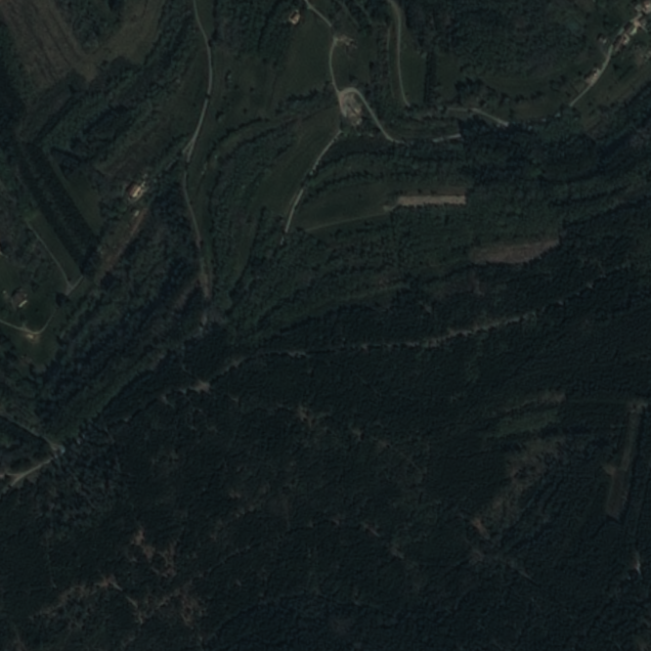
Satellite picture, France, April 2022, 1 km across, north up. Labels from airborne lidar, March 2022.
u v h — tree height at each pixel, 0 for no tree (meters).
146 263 11
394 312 12
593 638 23
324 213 0
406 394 10
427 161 8
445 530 13
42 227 0
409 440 18
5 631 21
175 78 10
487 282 11
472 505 9
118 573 10
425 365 10
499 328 8
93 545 9
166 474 13
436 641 17
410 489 12
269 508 11
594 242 22
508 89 0
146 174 9
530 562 26
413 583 12
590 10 0
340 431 13
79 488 32
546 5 13
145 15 0
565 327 18
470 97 10
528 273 15
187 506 16
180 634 11
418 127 15
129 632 10
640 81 0
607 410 12
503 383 12
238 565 11
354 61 0
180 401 14
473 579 21
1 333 29
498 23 20
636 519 21
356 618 15
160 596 8
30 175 9
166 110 0
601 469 28
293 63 0
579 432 9
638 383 8
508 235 9
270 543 12
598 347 24
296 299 13
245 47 17
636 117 11
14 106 6
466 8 20
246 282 9
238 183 15
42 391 18
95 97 10
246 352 15
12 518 7
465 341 16
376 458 7
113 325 9
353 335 14
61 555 10
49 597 10
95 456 34
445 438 12
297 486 13
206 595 10
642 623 24
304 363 15
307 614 16
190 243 26
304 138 0
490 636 16
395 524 8
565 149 22
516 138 25
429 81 7
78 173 30
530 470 7
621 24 0
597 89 0
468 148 18
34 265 23
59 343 0
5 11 0
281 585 13
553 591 22
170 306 27
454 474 10
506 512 13
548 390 21
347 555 11
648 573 21
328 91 7
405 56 0
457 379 10
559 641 21
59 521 10
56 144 10
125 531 17
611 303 19
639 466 19
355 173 0
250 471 11
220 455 15
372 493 8
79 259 8
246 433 13
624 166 16
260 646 18
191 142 0
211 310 24
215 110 0
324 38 0
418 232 14
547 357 19
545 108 0
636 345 26
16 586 13
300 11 12
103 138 23
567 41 16
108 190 25
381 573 14
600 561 22
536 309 10
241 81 0
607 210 18
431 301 11
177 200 22
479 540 19
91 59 0
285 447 13
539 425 17
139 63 0
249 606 13
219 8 15
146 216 0
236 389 14
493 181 18
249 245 0
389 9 28
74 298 0
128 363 25
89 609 22
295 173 0
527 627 10
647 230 17
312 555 9
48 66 0
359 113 0
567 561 17
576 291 15
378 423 18
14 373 15
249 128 8
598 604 20
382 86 7
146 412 12
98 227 0
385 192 0
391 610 17
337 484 13
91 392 21
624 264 16
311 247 16
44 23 0
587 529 16
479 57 19
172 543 8
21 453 25
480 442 10
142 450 14
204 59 0
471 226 13
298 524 9
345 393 14
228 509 14
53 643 7
